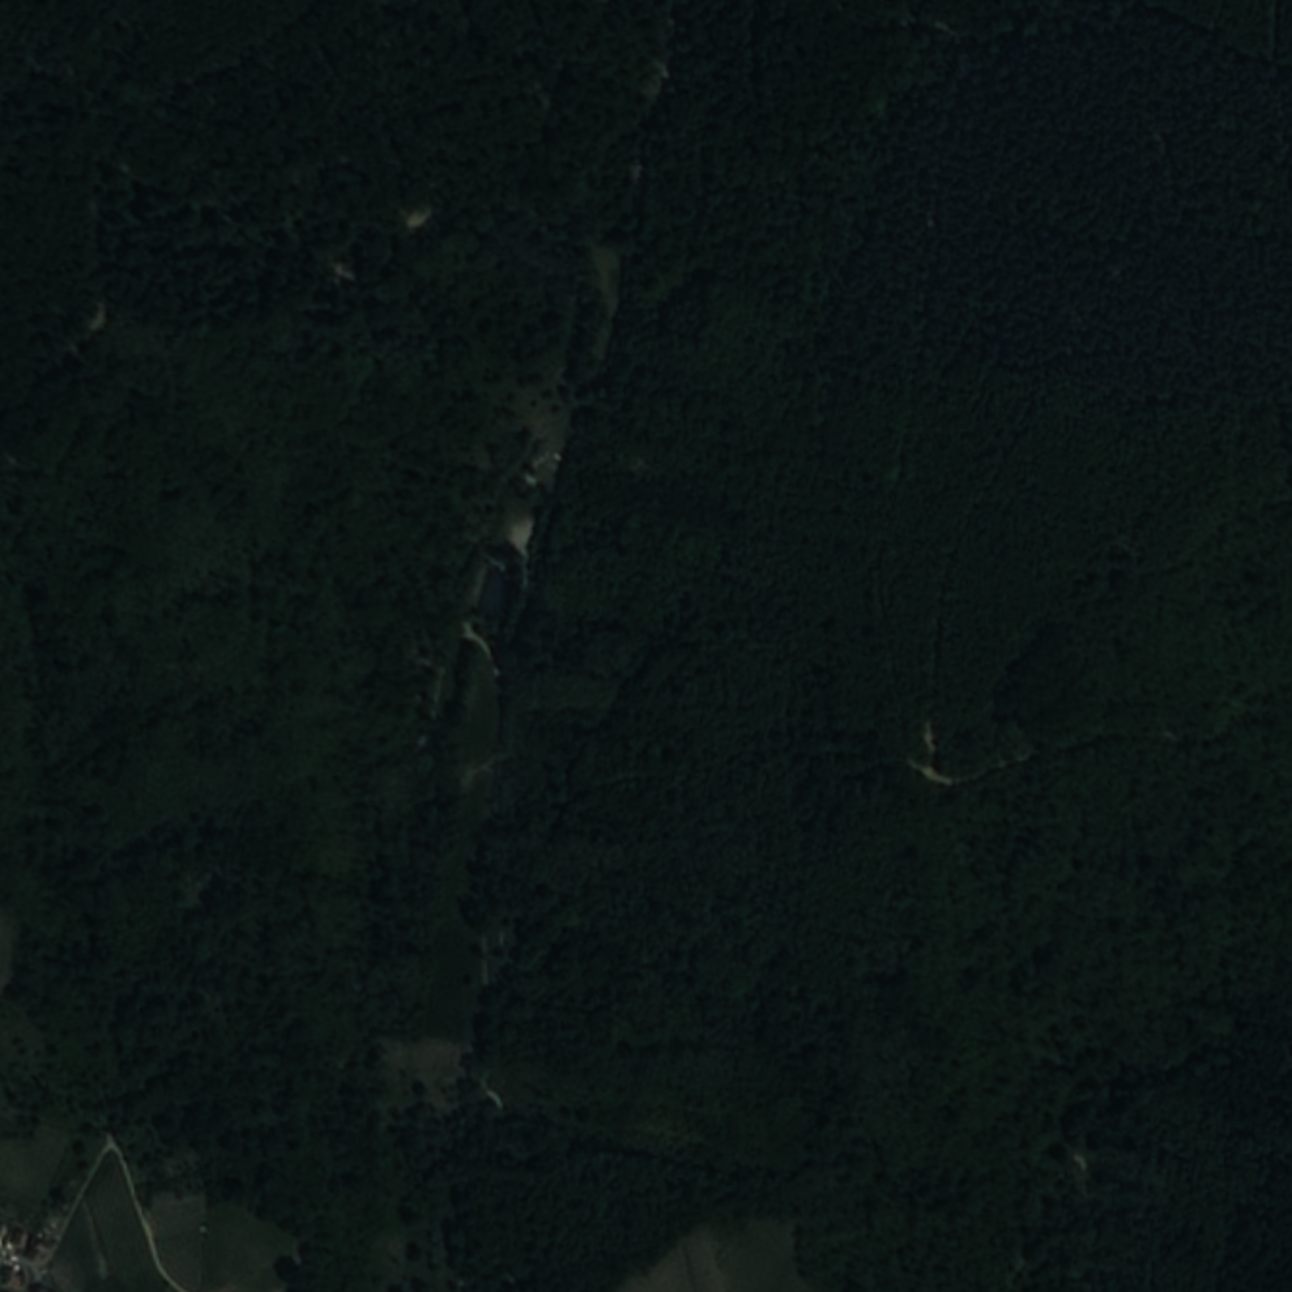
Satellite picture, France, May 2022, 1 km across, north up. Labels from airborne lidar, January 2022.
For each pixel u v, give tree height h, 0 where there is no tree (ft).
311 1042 51
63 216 74
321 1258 69
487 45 96
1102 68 100
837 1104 29
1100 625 24
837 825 38
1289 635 62
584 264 87
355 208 91
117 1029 73
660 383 76
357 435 46
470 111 90
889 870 39
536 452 0
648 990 81
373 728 58
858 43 73
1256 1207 72
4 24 68
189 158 84
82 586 65
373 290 79
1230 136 73
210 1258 0
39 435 69
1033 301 89
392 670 39
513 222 74
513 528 0
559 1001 35
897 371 66
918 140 93
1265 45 43
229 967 21
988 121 96
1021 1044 54
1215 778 53
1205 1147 49
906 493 45
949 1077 64
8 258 88
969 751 50
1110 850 41
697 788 37
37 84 90
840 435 55
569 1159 61
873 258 102
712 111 75
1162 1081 65
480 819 0
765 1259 0
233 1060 33
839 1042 69
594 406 51
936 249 102
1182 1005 65
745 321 43
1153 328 80
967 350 93
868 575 30
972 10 78
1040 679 53
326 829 57
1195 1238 52
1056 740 58
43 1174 0
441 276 62
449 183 86
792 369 57
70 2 58
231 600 45
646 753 58
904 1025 65
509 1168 54
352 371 51
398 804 77
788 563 48
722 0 66
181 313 94
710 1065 50
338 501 77
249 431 68
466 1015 0
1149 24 107
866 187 63
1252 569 58
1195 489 43
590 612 43
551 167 96
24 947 46
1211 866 62
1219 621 71
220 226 104
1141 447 55
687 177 54
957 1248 48
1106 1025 52
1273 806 62
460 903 0
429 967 41
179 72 74
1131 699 56
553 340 86
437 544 53
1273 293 92
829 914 51
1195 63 94
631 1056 60
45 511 61
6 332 91
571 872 71
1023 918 79
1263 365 86
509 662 76
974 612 33
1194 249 99
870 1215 84
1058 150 96
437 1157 42
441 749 76
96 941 41
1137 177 101
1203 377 94
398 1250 0
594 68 100
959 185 114
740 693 53
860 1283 52
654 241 75
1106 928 56
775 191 59
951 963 82
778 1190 49
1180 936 58
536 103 96
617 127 62
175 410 71
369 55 91
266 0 80
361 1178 89
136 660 55
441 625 83
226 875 73
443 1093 0
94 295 56
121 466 59
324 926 59
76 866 60
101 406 81
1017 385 62
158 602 59
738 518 55
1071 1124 63
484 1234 57
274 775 58
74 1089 26
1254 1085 76
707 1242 0
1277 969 90
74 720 78
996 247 102
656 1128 0
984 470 63
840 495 64
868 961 67
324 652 60
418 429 80
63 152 94
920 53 71
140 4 59
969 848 79
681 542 56
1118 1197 60
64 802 64
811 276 48
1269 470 54
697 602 22
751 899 63
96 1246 0
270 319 84
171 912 46
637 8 73
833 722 57
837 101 67
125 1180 0
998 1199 35
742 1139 0
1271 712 65
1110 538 28
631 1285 0
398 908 99
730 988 79
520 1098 0
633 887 56
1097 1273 19
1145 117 98
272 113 85
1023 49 79
